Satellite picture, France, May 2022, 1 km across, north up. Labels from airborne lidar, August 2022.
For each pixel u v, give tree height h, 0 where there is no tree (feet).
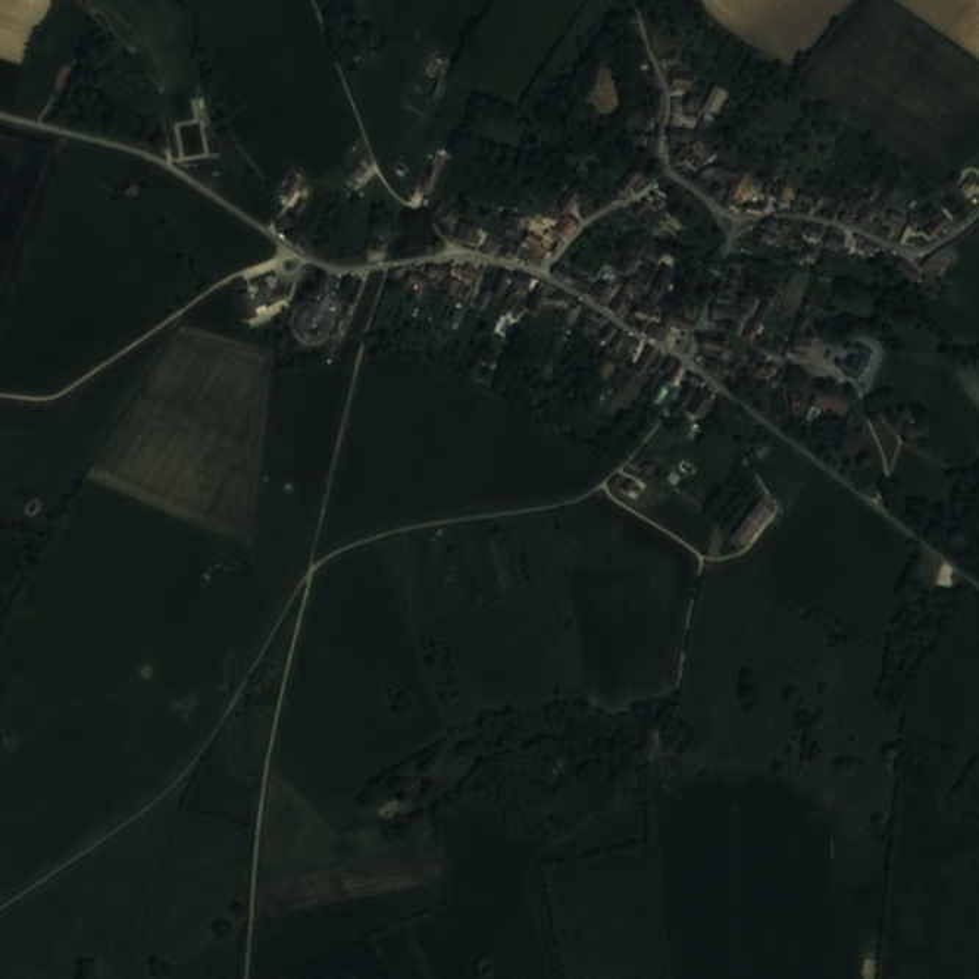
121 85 100
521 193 0
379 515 0
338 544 0
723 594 0
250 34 0
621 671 0
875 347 0
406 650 0
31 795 0
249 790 0
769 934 0
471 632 0
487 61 0
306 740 0
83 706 0
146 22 0
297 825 0
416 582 0
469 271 0
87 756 0
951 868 0
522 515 0
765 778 0
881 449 0
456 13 0
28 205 0
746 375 24
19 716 0
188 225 0
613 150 47
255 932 0
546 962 0
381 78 0
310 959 0
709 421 41
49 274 0
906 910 0
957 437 0
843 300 62
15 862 0
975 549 70
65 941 0
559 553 0
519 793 20
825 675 0
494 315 0
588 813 0
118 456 0
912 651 56
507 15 0
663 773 0
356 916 0
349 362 0
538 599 0
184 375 0
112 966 0
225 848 0
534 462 0
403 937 0
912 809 0
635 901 0
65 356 0
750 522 0
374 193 0
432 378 0
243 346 0
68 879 0
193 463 0
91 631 0
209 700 0
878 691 26
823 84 0
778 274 21
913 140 0
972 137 0
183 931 0
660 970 0
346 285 42
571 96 54
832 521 0
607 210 0
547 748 29
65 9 0
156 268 0
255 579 0
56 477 0
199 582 0
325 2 0
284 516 0
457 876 0
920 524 64
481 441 0
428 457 0
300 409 0
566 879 0
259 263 0
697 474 0
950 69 0
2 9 0
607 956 0
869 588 0
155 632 0
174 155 0
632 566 0
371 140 0
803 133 27
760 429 26
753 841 0
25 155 0
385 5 0
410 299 28
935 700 0
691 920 0
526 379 25
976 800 0
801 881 0
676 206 58
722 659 0
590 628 0
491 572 0
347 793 0
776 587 0
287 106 0
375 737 0
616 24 64
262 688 22
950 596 46
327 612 0
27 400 0
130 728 0
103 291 0
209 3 0
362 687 0
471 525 0
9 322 0
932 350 0
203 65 37
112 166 0
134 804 0
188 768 0
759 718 0
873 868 0
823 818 0
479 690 0
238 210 0
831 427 75
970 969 0
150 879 0
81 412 0
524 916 0
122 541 0
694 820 0
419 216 57
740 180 0
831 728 0
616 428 33
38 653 0
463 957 0
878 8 0
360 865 0
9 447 0
